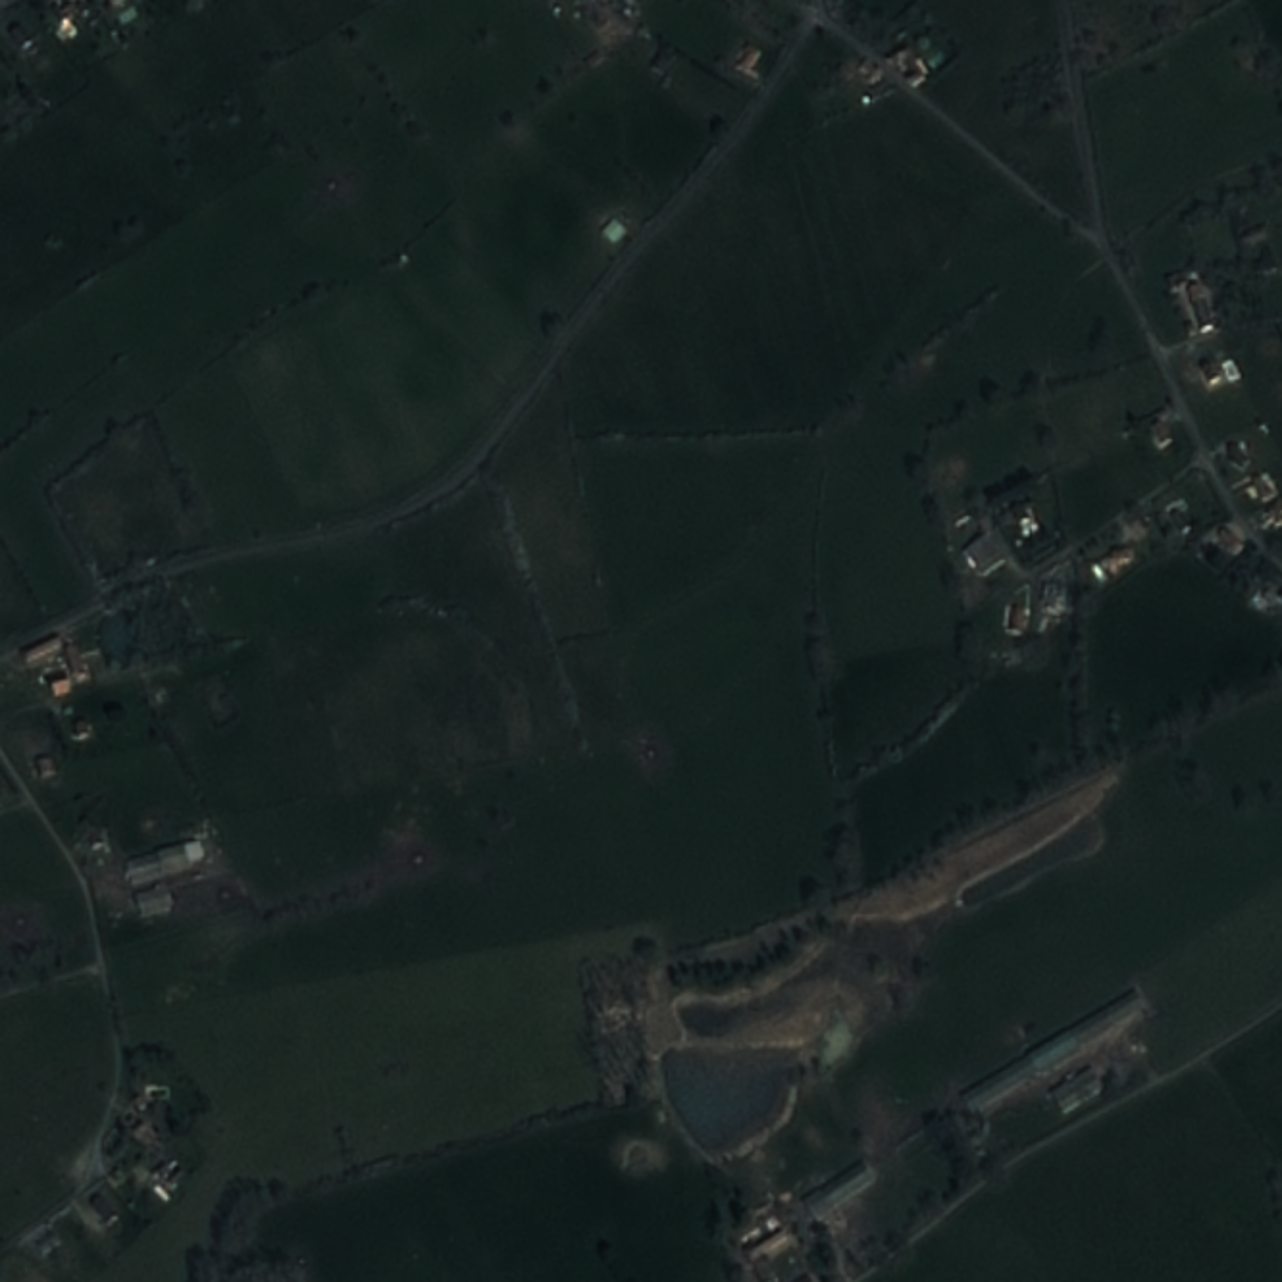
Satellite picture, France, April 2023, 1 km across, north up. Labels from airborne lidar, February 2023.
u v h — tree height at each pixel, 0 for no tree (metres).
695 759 0
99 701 0
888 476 0
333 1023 0
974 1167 13
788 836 0
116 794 0
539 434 0
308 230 0
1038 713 0
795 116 0
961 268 0
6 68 7
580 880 0
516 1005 0
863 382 0
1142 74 0
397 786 0
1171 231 0
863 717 0
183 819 0
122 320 0
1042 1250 0
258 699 0
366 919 0
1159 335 0
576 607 0
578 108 0
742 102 0
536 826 0
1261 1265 0
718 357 0
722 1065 0
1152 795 0
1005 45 0
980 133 0
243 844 0
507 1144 0
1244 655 0
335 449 0
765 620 0
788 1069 0
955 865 0
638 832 0
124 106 0
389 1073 6
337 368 0
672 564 0
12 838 0
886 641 0
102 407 0
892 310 0
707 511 0
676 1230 0
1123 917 0
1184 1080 0
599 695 0
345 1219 0
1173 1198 0
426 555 0
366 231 0
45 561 0
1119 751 20
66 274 0
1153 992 0
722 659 0
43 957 16
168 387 0
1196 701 0
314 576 0
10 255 0
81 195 0
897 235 0
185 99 0
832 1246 17
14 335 0
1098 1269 0
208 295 0
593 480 0
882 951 0
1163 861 0
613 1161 0
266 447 0
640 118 0
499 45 0
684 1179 0
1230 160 0
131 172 0
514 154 0
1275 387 0
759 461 0
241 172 0
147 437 0
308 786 0
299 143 0
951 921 0
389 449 0
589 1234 0
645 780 0
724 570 0
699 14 0
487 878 0
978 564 0
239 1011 0
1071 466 0
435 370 0
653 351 0
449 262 0
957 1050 0
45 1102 0
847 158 0
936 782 0
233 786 0
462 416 0
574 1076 0
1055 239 0
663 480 0
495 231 0
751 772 0
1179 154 0
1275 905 0
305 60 0
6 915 0
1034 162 0
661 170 0
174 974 0
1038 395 17
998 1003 0
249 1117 0
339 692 0
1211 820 0
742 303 0
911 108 0
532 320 0
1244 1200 0
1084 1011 0
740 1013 0
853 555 0
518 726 0
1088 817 0
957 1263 0
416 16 0
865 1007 0
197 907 0
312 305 11
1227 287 6
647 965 18
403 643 0
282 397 0
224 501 0
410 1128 0
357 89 0
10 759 0
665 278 0
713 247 0
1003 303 0
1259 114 0
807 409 0
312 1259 0
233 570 0
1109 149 0
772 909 0
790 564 0
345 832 0
